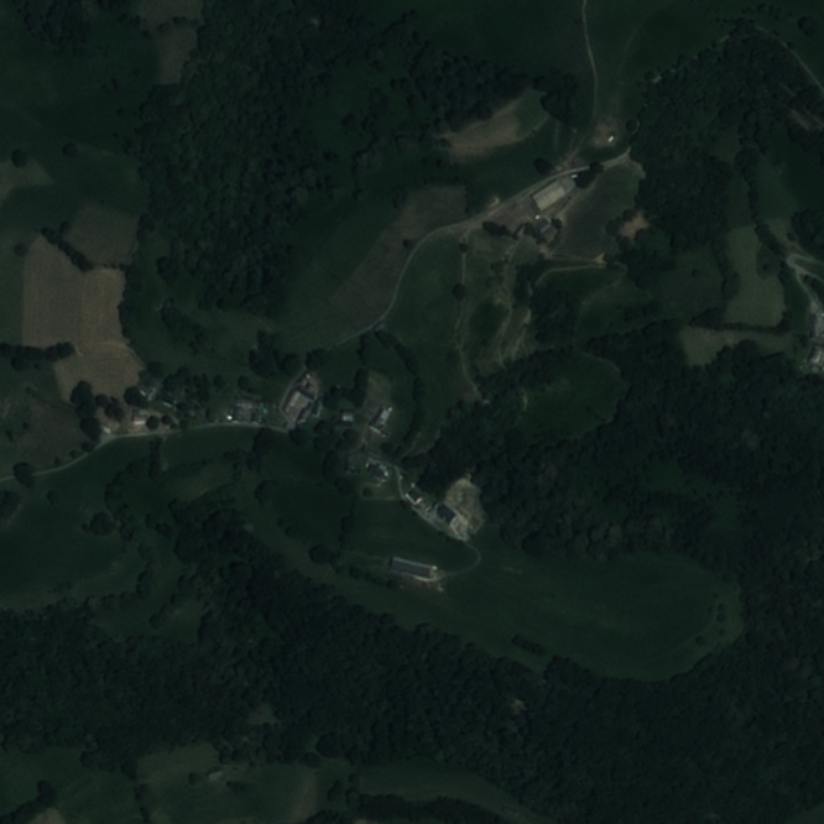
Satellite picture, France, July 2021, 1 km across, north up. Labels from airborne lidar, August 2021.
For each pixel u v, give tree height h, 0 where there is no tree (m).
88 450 14
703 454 17
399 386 0
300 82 23
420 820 17
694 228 24
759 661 18
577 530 11
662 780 23
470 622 0
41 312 0
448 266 0
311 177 15
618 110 0
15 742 22
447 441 17
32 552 0
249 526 15
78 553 0
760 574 13
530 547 24
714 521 13
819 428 19
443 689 36
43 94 0
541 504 22
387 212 0
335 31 25
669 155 23
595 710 29
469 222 0
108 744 27
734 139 0
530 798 21
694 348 0
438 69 12
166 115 20
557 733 37
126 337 13
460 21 0
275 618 33
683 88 23
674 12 0
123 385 0
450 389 0
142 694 30
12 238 0
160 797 0
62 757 0
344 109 0
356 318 0
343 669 32
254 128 21
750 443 18
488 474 16
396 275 0
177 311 25
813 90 16
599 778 26
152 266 0
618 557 20
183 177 15
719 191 28
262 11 18
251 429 0
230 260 23
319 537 0
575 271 0
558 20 0
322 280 0
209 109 21
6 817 7
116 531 19
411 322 0
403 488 0
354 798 20
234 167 22
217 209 18
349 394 17
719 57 28
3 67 0
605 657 0
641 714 22
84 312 0
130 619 0
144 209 0
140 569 0
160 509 0
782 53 21
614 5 0
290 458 0
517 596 0
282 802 0
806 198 0
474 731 33
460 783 0
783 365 24
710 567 10
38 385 0
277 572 20
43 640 14
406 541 0
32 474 18
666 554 8
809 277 12
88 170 0
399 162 0
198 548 20
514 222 0
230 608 18
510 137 0
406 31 22
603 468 10
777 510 10
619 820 28
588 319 0
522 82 24
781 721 13
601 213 0
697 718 27
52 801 26
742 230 0
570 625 0
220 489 7
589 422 0
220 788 0
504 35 0
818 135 13
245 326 0
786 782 28
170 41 0
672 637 0
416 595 0
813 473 9
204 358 0
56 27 23
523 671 23
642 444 19
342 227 0
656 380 16
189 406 16
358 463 0
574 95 8
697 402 15
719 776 20
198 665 23
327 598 29
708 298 0
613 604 0
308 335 0
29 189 0
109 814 0
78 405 19
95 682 20
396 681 26
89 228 0
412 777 0
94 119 0
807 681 26
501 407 20
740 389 13
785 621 19
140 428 0
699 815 24
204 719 12
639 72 0
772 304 0
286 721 26
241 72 14
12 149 0
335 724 22
